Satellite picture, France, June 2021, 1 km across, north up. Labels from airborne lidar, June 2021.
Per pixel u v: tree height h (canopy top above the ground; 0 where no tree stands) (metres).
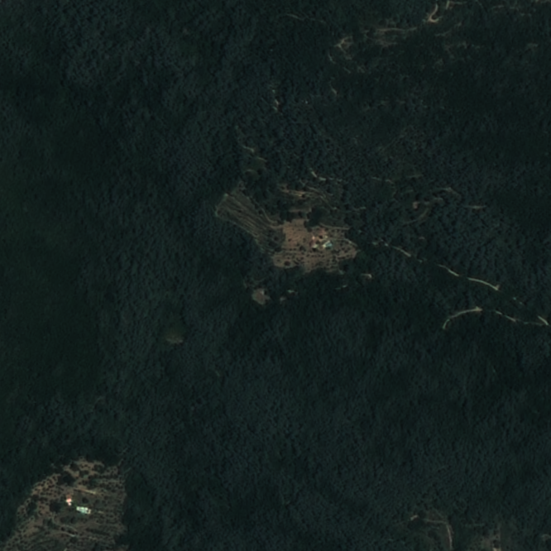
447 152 10
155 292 16
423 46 7
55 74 19
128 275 13
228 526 15
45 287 8
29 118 13
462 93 13
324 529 21
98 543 12
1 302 10
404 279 21
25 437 9
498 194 14
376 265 18
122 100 19
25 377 17
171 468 11
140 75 12
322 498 6
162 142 22
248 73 16
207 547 17
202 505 19
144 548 17
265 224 0
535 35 10
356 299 14
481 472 18
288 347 14
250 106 19
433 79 9
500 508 15
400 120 17
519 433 26
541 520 10
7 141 14
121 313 20
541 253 20
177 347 16
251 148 23
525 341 14
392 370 18
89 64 20
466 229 6
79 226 13
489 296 13
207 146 18
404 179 14
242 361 18
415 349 27
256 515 18
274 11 17
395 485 19
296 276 20
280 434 12
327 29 11
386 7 12
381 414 18
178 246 18
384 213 8
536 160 15
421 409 15
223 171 19
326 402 18
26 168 12
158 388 14
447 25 8
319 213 14
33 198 11
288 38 11
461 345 19
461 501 14
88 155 17
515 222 16
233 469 20
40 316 11
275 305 15
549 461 15
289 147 16
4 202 10
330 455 19
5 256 11
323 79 6
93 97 20
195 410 12
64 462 19
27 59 20
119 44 14
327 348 16
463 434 12
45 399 18
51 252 12
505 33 6
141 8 13
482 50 8
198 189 12
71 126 11
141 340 14
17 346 10
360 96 11
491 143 12
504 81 18
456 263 19
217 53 11
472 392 13
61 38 12
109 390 19
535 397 11
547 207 15
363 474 11
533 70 10
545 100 15
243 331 21
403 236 22
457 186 19
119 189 17
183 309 7
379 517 17
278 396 15
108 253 16
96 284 11
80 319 11
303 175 16
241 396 15
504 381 10
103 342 10
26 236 9
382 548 18
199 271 15
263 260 20
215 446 23
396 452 22
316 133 25
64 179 10
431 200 22
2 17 13
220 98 18
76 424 7
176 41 7
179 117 15
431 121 8
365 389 19
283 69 13
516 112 15
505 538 0
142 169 16
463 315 8
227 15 14
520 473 12
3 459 14
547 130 12
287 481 17
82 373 13
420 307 19
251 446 20
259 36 18
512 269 18
